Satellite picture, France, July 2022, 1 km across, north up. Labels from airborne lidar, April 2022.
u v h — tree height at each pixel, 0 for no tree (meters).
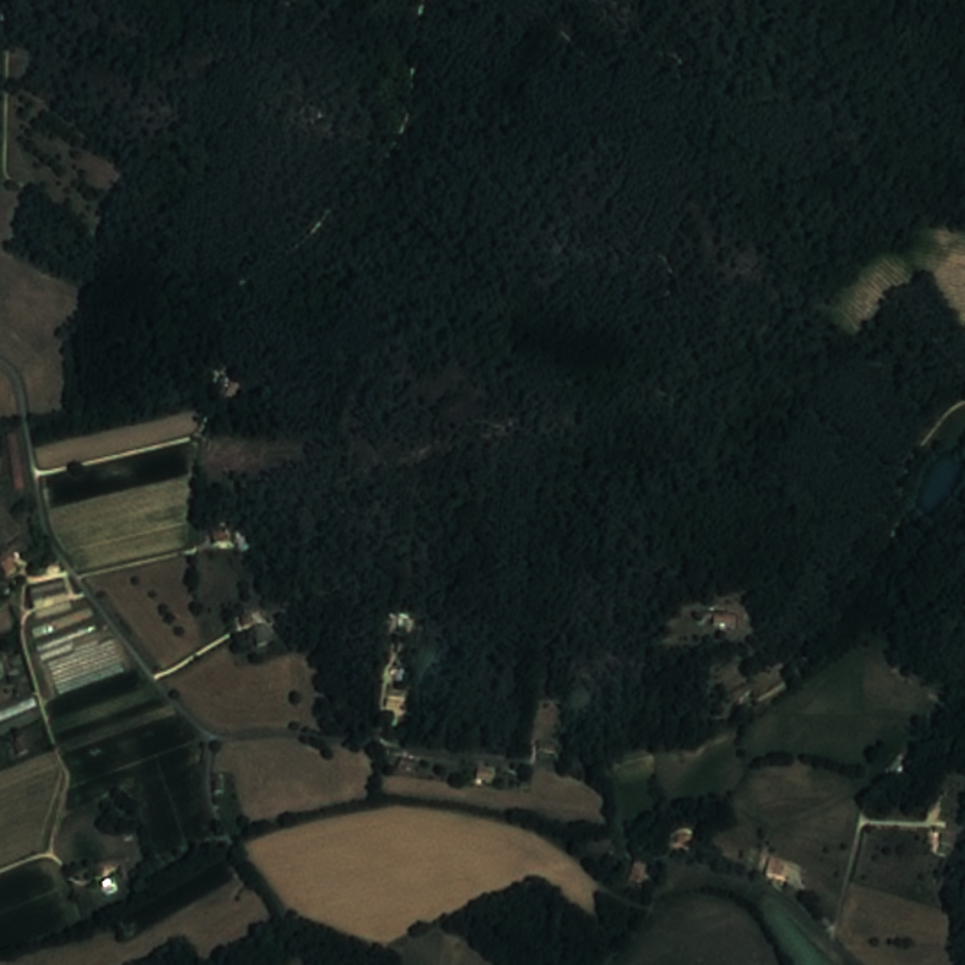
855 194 19
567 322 22
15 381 0
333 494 18
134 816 11
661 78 21
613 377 15
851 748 0
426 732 23
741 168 27
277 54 15
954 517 16
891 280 0
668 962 0
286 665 0
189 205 23
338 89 19
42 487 0
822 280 20
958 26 22
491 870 0
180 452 0
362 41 18
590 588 17
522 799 0
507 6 14
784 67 22
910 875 0
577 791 0
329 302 16
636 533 20
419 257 31
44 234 19
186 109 18
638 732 17
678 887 0
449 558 21
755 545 17
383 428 15
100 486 0
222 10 22
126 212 26
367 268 27
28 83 18
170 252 23
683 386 9
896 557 20
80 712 0
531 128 24
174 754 0
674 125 22
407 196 21
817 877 0
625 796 0
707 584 16
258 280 22
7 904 0
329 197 16
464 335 23
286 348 23
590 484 17
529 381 22
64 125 8
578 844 13
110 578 0
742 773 0
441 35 25
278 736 0
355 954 10
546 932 20
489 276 27
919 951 0
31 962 0
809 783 0
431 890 0
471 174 25
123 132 22
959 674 15
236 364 22
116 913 17
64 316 0
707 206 16
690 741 21
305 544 21
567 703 18
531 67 22
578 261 18
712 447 25
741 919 0
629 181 16
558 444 20
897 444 20
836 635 17
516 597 20
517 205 24
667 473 23
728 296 22
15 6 22
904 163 17
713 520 16
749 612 15
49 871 0
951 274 0
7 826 0
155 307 20
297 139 15
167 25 12
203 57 15
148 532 0
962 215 20
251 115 15
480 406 7
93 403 8
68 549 0
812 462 19
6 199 0
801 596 19
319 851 0
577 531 13
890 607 16
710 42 24
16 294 0
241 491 23
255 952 20
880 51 25
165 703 0
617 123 20
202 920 0
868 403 18
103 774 0
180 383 15
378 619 21
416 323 26
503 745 21
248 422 16
